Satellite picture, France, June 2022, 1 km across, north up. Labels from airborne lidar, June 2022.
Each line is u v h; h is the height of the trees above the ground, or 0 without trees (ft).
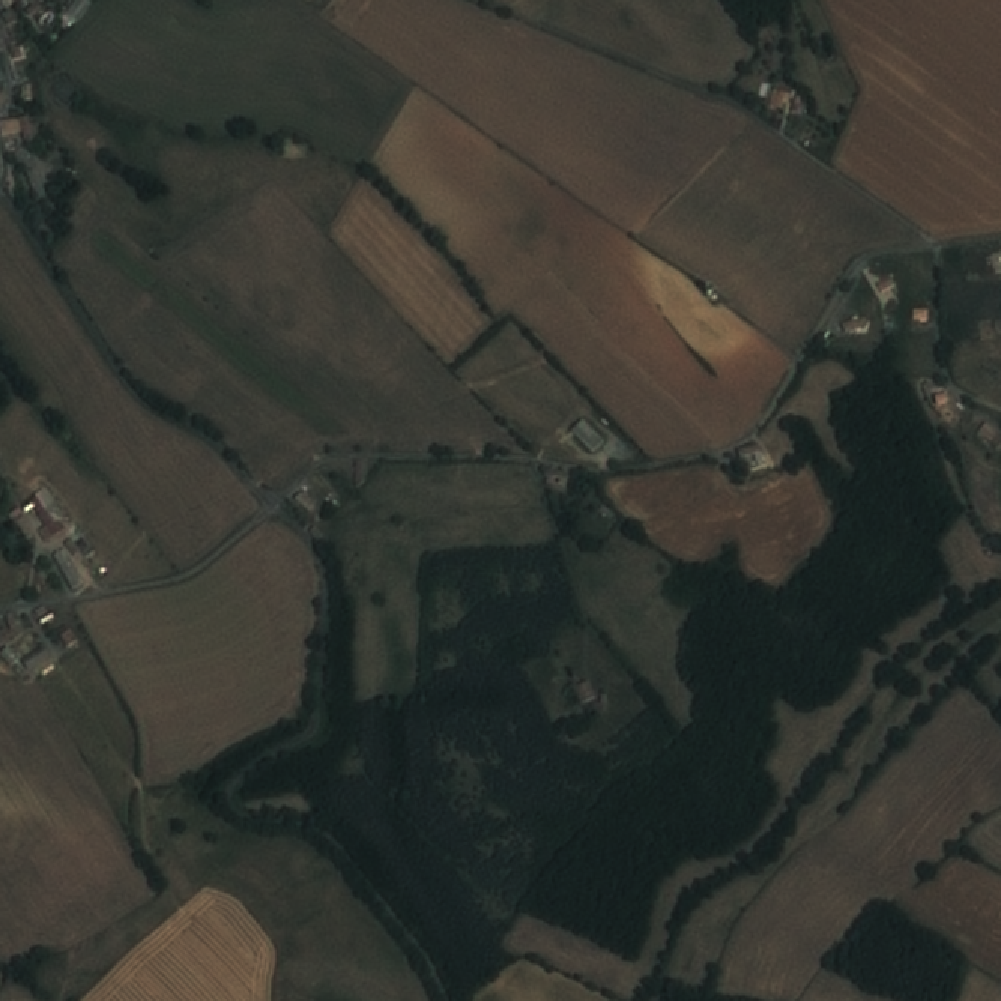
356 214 0
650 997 42
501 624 41
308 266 0
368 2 0
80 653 0
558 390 0
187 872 0
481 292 71
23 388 106
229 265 0
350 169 0
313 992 0
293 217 0
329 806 53
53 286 0
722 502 0
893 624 59
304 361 0
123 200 0
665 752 31
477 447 0
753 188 0
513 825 19
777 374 0
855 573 49
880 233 0
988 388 0
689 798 45
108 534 0
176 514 0
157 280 0
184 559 0
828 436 0
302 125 0
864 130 0
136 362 0
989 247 0
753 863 114
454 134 0
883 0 0
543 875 40
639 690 40
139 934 0
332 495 0
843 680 78
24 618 26
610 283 0
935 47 0
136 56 0
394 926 47
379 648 0
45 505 0
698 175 0
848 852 0
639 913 66
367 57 0
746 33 43
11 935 0
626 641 0
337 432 0
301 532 0
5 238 0
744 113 0
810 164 0
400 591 0
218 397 0
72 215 43
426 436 0
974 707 0
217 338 0
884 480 66
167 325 0
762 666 60
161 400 52
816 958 0
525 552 36
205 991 0
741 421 0
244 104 0
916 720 39
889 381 32
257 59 0
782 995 0
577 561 0
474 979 45
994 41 0
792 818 43
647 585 0
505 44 0
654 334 0
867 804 0
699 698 43
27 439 0
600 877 54
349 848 36
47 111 22
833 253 0
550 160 0
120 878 0
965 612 62
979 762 0
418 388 0
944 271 31
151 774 0
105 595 0
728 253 0
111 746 0
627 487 0
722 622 65
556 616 40
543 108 0
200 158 0
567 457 0
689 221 0
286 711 0
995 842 0
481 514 0
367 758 34
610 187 0
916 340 0
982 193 0
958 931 0
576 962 0
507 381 0
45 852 0
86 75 0
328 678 26
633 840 55
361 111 0
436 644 29
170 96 0
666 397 0
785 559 0
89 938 0
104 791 0
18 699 0
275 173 0
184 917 0
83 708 0
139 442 0
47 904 0
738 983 0
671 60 0
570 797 26
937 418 0
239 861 0
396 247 0
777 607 30
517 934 0
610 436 0
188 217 0
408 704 39
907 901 0
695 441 0
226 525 0
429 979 49
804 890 0
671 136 0
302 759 45
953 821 0
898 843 0
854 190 0
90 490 0
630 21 0
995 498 0
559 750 28
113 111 0
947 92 0
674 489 0
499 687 42
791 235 0
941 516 29
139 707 0
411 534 0
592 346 0
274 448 0
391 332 0
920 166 0
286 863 0
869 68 0
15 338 0
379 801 39
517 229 0
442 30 0
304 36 0
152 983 0
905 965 55
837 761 53
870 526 44
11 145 0
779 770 0
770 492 0
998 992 0
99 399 0
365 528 0
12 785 0
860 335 0
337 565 43
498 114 0
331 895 0
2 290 0
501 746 33
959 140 0
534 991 0
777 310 0
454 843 41
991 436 0
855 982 37
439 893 44
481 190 0
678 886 0
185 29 0
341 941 0
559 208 0
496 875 35
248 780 40
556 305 0
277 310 0
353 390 0
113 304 0
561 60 0
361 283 0
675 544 0
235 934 0
